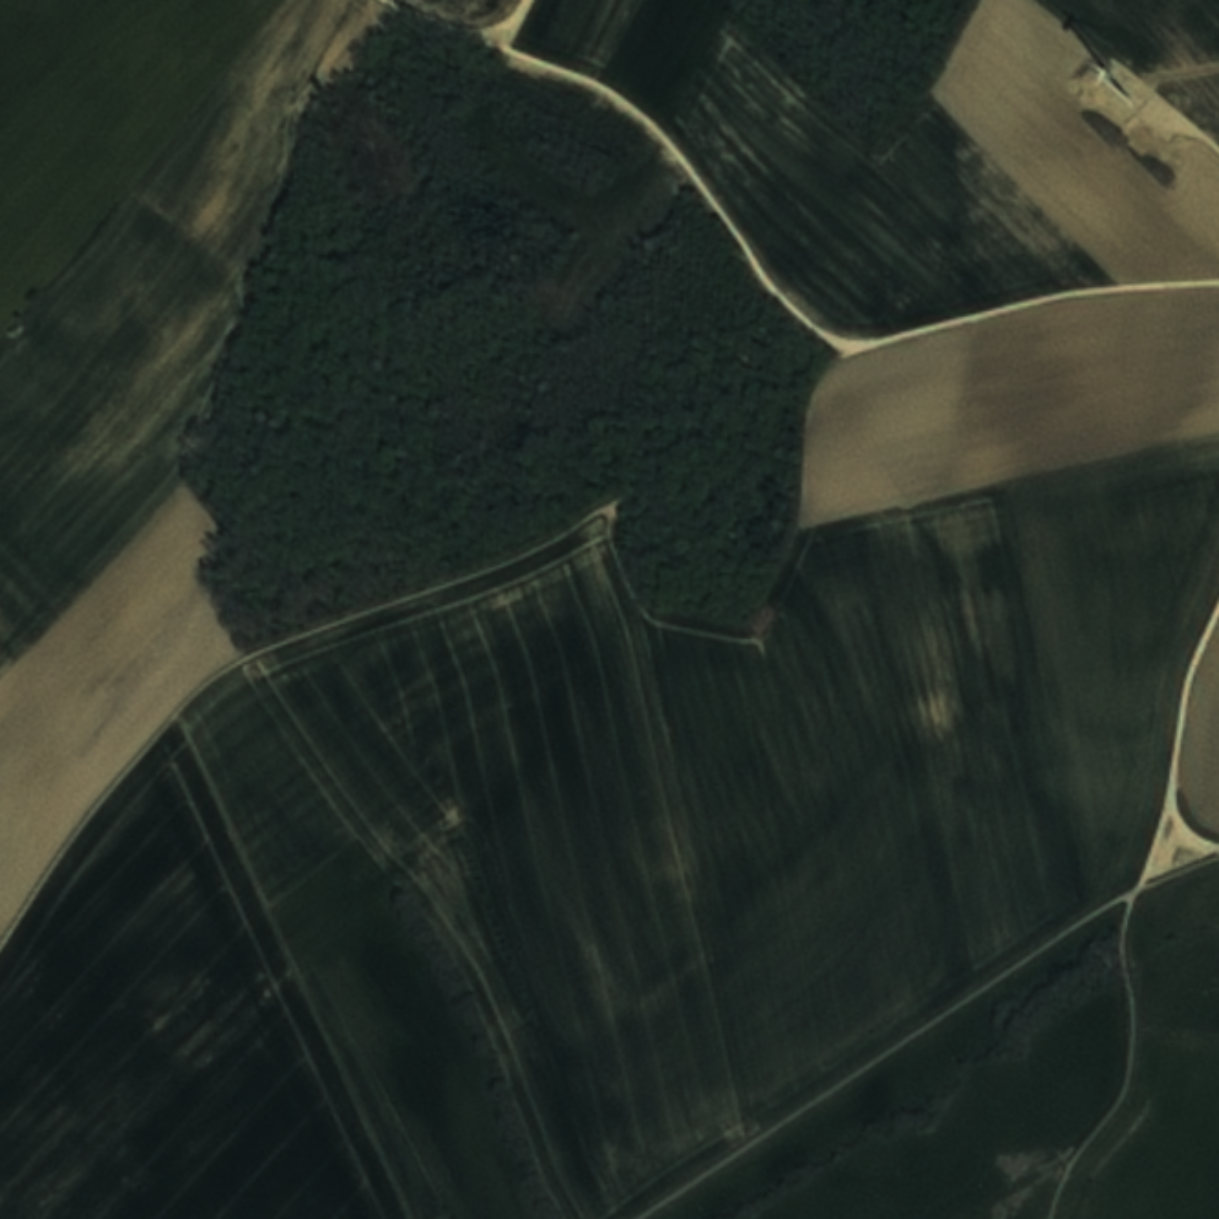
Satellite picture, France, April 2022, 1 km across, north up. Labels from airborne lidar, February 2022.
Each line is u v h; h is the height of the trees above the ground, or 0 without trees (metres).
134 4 0
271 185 0
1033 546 0
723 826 0
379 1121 0
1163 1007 0
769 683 0
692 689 0
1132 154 0
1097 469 0
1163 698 0
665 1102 0
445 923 0
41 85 0
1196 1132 0
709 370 19
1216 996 0
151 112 0
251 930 0
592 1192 0
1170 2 0
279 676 0
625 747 0
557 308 0
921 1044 0
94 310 0
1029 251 0
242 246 0
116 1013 0
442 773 0
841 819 0
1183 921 0
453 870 0
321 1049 0
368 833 0
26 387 0
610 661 0
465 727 0
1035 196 0
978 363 0
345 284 25
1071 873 0
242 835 0
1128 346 0
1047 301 0
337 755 0
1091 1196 0
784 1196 7
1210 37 0
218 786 0
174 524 0
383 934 0
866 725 0
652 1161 0
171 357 0
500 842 0
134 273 0
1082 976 18
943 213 0
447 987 13
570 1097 0
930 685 0
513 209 16
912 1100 0
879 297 0
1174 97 0
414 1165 0
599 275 0
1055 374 0
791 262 0
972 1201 0
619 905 0
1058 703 0
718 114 0
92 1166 0
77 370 0
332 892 0
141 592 0
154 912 0
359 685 0
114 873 0
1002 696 0
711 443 21
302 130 11
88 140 0
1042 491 0
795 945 0
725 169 0
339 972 0
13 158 0
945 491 0
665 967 0
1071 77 0
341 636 0
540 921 0
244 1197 0
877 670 0
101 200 0
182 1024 0
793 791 0
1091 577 0
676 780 0
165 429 0
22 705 0
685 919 0
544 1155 0
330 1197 0
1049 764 0
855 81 21
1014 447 0
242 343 18
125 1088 0
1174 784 0
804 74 10
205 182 0
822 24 25
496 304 23
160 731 0
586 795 0
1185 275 0
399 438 24
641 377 16
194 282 0
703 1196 0
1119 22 0
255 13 0
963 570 0
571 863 0
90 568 0
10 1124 0
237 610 26
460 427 18
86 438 0
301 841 0
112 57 0
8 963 0
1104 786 0
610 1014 0
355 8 0
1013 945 0
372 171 0
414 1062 0
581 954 0
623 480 25
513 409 17
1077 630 0
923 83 24
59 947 0
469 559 23
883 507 0
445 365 20
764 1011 0
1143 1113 0
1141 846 0
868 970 0
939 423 0
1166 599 0
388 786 0
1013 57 0
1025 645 0
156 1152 0
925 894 0
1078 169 0
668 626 0
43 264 0
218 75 0
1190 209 0
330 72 0
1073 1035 0
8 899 0
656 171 0
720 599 18
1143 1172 0
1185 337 0
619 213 0
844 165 0
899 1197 0
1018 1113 0
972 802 0
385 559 29
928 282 0
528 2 0
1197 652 0
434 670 0
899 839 0
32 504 0
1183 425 0
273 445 26
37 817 0
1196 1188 0
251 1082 0
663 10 0
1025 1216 0
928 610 0
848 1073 0
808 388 21
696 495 26
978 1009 0
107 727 0
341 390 24
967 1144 0
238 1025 0
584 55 0
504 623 0
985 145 0
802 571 0
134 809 0
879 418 0
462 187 13
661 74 0
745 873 0
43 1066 0
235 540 27
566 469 21
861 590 0
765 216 0
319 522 28
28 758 0
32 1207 0
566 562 0
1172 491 0
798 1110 0
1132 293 0
